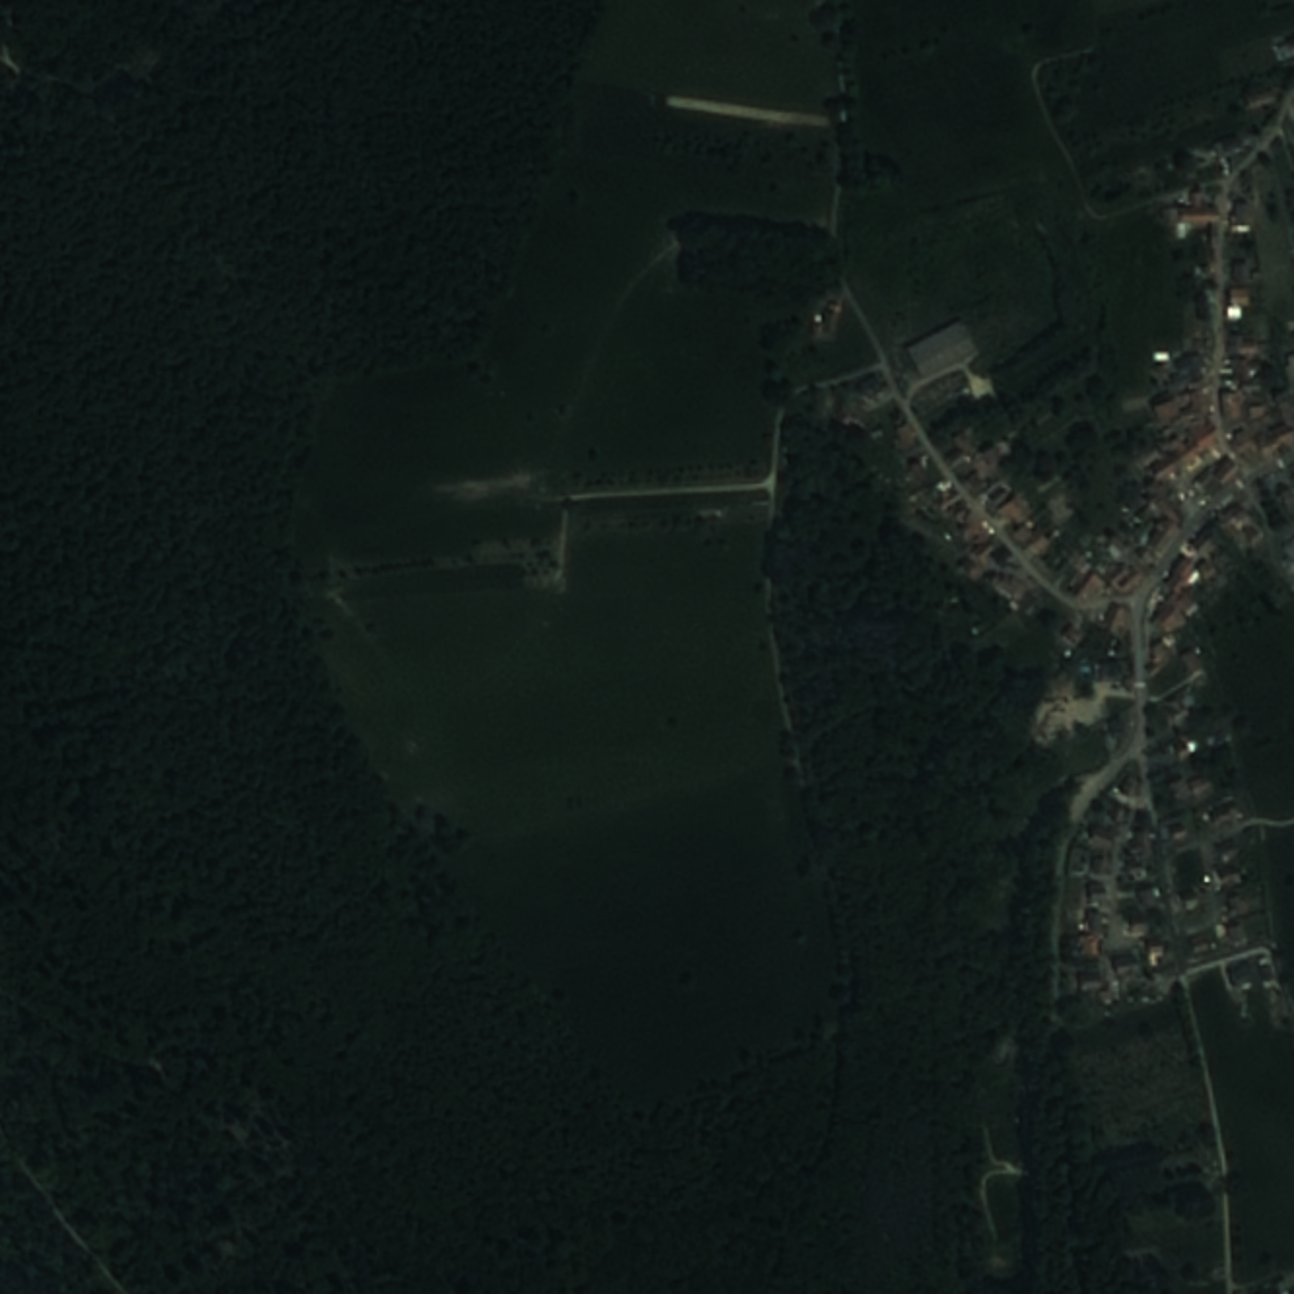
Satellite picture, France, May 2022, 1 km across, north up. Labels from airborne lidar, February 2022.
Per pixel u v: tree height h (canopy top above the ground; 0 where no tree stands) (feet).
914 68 0
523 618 0
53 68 101
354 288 74
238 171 79
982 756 75
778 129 0
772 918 0
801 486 39
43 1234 93
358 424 0
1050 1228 89
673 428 0
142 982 41
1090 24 0
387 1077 39
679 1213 45
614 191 0
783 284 60
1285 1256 0
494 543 0
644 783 0
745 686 0
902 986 68
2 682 38
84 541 77
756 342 0
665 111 0
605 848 0
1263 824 0
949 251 0
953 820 92
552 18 62
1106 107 0
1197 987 0
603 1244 53
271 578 66
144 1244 104
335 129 72
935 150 0
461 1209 38
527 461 0
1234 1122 0
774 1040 0
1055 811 66
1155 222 0
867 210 0
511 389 0
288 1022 97
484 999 48
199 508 87
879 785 80
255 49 83
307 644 63
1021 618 0
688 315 0
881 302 0
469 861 0
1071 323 0
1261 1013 0
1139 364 0
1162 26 0
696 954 0
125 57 66
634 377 0
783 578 83
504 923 0
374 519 0
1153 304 0
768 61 0
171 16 77
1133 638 0
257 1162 44
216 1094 31
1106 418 0
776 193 25
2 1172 101
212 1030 41
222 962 58
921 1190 76
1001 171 0
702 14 0
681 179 0
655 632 0
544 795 0
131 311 72
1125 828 0
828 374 0
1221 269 0
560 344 0
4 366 78
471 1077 58
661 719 0
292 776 69
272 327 80
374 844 62
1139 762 0
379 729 0
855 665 70
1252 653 0
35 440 76
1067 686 0
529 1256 62
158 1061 32
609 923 0
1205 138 0
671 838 0
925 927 62
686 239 76
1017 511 0
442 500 0
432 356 70
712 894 0
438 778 0
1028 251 0
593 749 0
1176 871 0
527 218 76
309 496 0
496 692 0
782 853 0
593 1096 50
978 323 0
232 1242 115
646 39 0
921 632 78
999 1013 69
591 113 0
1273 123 20
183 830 64
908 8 0
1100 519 0
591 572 0
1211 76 0
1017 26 0
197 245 79
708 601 0
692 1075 0
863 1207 74
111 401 73
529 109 79
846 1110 52
